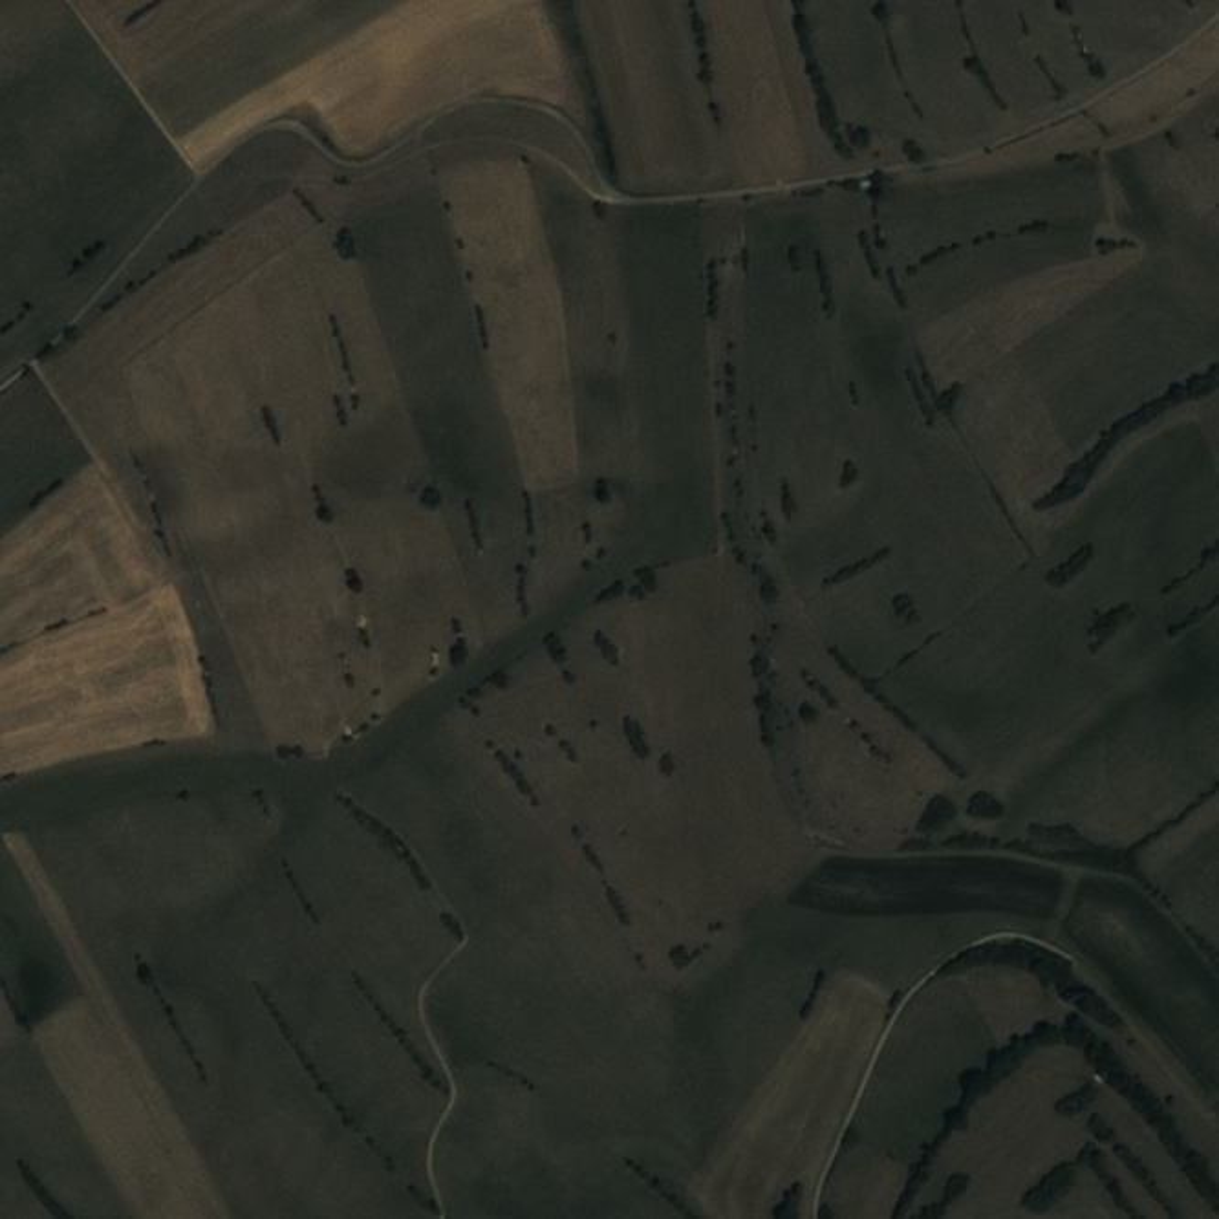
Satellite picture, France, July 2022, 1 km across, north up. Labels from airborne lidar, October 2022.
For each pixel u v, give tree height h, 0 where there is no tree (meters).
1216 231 0
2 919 0
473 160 0
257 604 0
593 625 0
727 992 0
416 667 0
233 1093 0
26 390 0
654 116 0
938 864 0
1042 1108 0
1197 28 0
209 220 0
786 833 0
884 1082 0
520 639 0
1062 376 0
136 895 0
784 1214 15
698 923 0
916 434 0
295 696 0
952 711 0
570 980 0
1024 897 0
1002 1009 0
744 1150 0
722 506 0
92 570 0
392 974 0
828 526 0
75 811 0
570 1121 0
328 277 0
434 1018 0
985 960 6
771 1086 0
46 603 0
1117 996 0
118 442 0
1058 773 0
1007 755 0
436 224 0
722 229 0
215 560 0
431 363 0
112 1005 0
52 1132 0
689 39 0
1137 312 0
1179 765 0
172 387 0
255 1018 0
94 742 0
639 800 0
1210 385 6
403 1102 0
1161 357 0
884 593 0
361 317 0
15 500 0
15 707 0
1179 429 0
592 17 0
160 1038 0
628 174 0
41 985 0
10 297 0
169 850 0
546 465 0
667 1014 0
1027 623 0
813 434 0
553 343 0
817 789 0
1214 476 0
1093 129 0
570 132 0
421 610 0
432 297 0
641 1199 0
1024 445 0
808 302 0
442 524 0
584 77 0
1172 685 0
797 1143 0
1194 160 0
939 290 0
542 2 0
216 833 0
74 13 0
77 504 0
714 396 0
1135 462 0
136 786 0
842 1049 0
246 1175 0
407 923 0
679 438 0
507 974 0
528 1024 0
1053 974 7
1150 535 0
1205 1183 9
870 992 0
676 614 0
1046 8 0
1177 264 0
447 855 0
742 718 0
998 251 0
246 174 0
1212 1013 0
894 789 0
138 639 0
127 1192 0
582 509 0
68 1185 0
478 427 0
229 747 0
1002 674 0
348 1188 0
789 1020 0
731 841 0
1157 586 0
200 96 0
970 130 0
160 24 0
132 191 0
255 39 0
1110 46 0
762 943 0
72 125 0
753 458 0
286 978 0
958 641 0
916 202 0
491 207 0
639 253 0
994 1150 0
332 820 0
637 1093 0
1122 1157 8
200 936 0
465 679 0
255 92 0
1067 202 0
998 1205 0
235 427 0
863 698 0
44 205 0
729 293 0
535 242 0
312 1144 0
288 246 0
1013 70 0
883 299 0
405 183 0
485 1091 0
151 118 0
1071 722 0
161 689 0
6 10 0
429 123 0
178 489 0
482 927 0
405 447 0
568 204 0
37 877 0
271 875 0
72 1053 0
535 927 0
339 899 0
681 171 0
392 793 0
